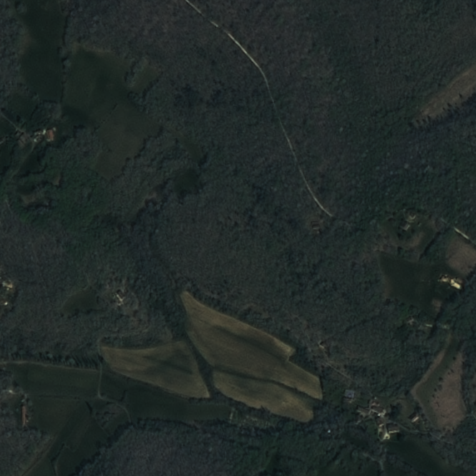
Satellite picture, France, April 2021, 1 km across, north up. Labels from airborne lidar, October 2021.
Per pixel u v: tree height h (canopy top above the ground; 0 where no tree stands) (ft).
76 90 0
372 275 62
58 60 0
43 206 22
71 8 24
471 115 35
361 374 36
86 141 75
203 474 68
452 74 68
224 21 43
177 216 36
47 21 0
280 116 65
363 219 57
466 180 56
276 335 24
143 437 72
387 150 60
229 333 0
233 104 53
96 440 0
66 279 73
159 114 67
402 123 64
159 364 0
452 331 52
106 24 67
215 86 58
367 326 65
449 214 65
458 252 0
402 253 54
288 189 64
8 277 73
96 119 0
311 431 42
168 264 50
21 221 68
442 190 72
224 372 0
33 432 75
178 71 48
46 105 37
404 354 23
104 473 54
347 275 76
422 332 38
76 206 74
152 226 53
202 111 49
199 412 0
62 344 45
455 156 64
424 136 56
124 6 70
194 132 71
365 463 42
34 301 68
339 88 50
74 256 73
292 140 64
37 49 0
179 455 55
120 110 0
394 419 55
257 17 24
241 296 46
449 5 71
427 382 0
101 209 95
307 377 0
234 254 50
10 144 28
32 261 63
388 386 20
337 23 48
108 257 51
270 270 56
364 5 45
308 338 62
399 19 63
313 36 52
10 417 55
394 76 52
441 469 0
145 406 0
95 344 69
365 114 53
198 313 0
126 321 52
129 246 39
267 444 77
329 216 43
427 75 52
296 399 0
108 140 0
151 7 40
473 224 53
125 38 65
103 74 0
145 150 37
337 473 0
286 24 44
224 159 58
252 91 81
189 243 39
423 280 0
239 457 83
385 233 0
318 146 44
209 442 50
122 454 58
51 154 69
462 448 36
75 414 0
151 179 44
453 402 0
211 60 54
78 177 66
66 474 0
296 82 62
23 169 0
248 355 0
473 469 54
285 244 47
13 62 52
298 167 48
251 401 0
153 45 46
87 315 42
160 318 69
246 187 66
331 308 77
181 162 60
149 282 58
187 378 0
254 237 50
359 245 63
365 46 47
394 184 61
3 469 64
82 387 0
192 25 53
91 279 66
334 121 50
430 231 0
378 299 55
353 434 60
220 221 46
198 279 36
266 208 51
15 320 62
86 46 58
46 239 63
